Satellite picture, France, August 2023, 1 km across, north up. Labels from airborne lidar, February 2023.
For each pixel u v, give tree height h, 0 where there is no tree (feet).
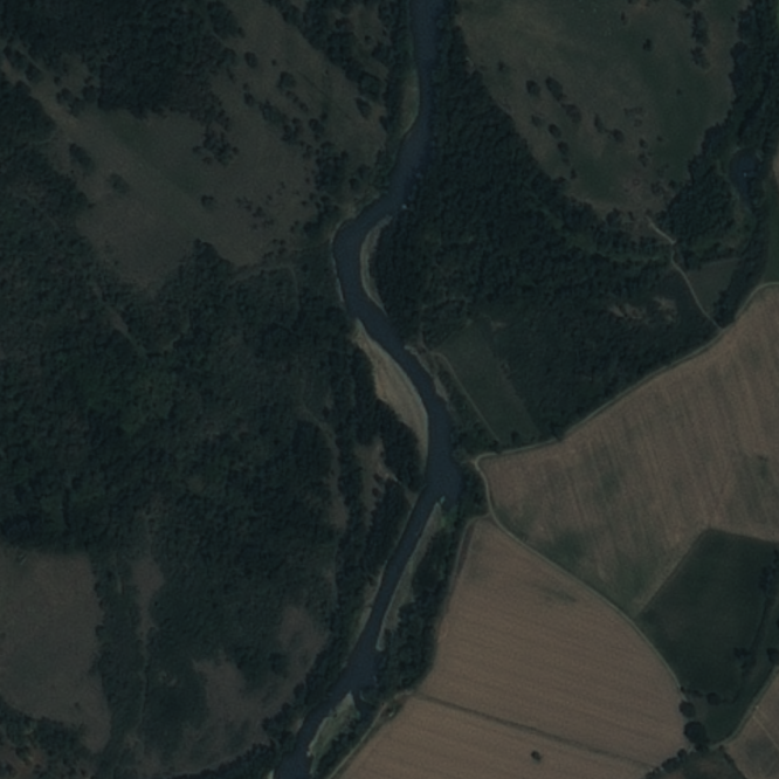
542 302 43
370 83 71
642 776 0
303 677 0
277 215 0
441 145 50
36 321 38
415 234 67
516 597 0
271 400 26
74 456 24
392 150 34
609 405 0
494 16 0
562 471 0
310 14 42
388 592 0
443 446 0
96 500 23
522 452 0
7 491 21
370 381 81
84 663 0
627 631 0
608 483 0
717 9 0
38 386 26
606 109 0
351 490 87
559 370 18
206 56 50
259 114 0
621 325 31
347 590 45
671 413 0
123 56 54
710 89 0
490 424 0
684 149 0
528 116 0
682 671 0
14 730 45
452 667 0
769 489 0
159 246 0
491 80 0
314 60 0
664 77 0
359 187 50
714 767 0
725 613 0
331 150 49
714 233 37
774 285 0
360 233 0
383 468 0
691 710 59
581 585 0
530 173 37
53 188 61
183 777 0
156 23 67
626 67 0
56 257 36
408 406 0
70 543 53
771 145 50
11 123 32
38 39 57
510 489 0
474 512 0
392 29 52
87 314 47
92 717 0
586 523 0
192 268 23
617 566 0
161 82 61
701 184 53
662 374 0
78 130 0
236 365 21
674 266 0
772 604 19
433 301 40
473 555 0
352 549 72
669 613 0
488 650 0
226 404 34
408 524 0
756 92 96
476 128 56
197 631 32
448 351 0
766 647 0
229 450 45
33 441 36
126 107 71
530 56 0
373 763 0
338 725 0
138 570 0
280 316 35
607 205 0
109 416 58
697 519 0
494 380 0
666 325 21
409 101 0
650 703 0
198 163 0
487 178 85
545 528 0
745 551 0
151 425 43
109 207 0
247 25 0
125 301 38
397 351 0
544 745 0
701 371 0
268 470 31
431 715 0
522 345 18
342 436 42
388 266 49
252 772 72
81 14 56
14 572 0
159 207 0
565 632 0
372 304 0
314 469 85
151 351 57
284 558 26
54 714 0
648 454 0
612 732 0
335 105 0
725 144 90
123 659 20
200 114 34
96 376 45
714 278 0
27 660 0
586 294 79
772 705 0
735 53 0
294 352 41
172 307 57
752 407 0
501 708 0
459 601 0
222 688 0
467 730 0
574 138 0
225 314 58
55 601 0
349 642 56
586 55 0
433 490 0
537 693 0
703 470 0
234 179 0
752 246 19
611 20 0
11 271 39
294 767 0
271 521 69
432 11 0
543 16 0
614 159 0
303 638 0
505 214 97
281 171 0
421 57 0
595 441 0
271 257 31
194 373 43
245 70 0
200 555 35
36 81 68
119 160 0
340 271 0
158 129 0
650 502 0
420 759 0
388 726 0
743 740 0
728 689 0
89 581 0
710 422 0
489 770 0
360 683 0
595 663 0
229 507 42
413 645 46
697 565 0
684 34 0
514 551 0
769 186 0
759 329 0
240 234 0
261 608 19
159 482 47
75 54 33
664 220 36
